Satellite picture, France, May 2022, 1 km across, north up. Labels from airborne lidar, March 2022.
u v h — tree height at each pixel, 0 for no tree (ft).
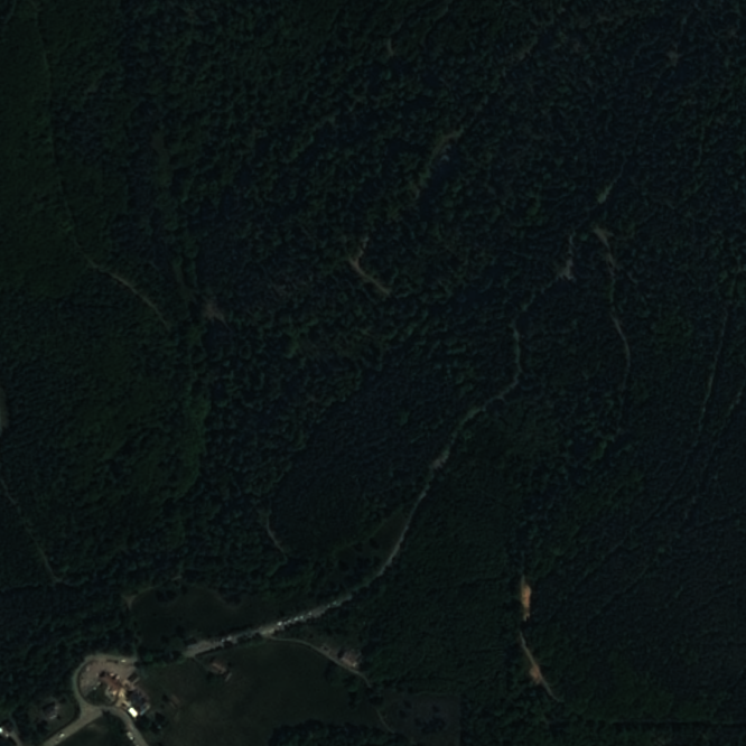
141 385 63
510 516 36
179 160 64
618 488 53
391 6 25
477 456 42
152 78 84
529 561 62
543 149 39
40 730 70
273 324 98
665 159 97
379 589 58
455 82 98
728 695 51
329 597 28
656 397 56
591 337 74
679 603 59
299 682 0
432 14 33
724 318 24
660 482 67
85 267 44
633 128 97
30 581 46
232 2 44
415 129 116
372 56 23
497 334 73
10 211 45
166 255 97
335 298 98
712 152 27
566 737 64
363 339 19
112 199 54
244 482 97
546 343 97
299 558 55
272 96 55
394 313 121
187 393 82
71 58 35
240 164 30
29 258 53
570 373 57
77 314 47
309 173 111
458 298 92
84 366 32
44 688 78
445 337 96
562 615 60
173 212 89
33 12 43
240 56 88
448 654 26
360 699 40
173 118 77
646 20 25
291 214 105
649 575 53
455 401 68
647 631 60
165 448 78
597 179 85
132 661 0
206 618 0
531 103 106
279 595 62
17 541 61
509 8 20
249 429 110
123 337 44
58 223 42
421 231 49
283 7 52
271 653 0
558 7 24
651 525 63
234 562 76
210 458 93
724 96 36
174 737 0
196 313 70
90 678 0
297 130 54
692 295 35
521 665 53
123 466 61
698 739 97
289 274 91
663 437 47
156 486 55
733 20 87
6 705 68
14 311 43
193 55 86
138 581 79
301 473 68
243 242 113
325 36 41
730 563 61
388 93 110
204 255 97
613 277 103
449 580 31
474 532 30
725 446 59
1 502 53
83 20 56
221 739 0
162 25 118
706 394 37
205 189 26
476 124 25
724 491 26
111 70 48
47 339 40
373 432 94
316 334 131
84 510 36
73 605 83
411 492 26
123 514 56
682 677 59
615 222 72
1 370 50
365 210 20
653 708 60
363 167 110
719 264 46
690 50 34
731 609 55
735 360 36
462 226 111
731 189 62
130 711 0
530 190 116
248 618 0
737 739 75
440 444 89
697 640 68
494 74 83
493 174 134
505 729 66
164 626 0
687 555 58
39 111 48
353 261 0
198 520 113
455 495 40
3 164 54
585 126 109
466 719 35
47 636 124
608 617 60
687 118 96
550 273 95
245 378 86
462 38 35
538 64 42
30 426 33
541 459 22
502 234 106
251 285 97
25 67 59
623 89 54
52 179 46
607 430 69
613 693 59
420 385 87
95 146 57
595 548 70
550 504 52
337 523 59
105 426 40
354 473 68
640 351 39
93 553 25
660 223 71
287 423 85
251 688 0
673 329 60
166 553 91
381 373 78
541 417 49
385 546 0
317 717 0
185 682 0
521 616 52
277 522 55
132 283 31
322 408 53
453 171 93
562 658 65
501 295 108
